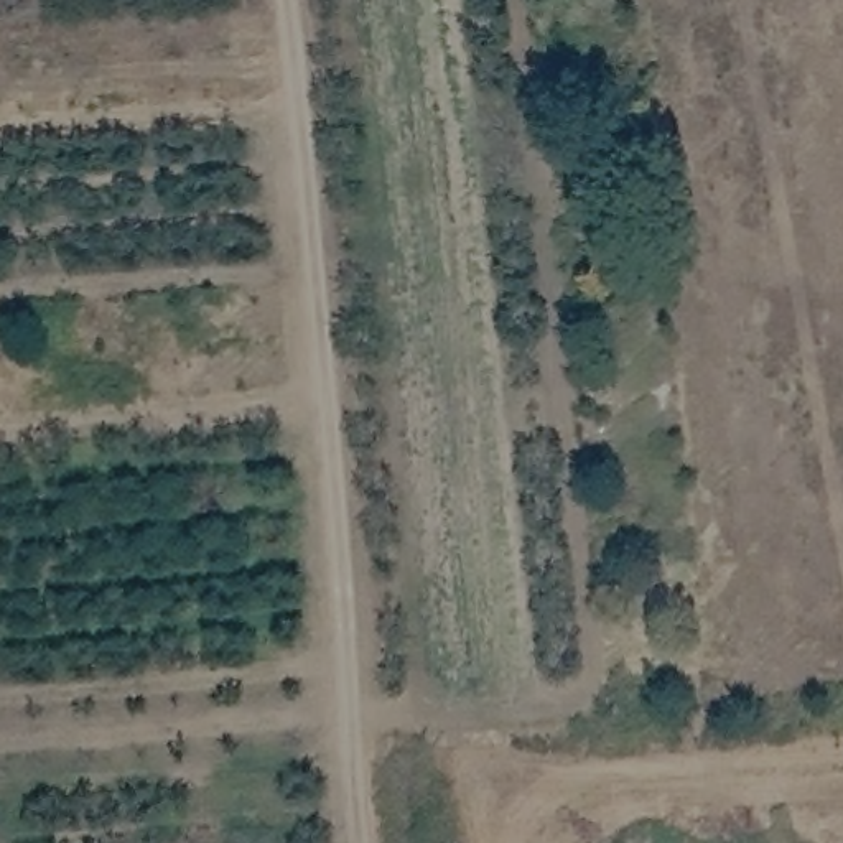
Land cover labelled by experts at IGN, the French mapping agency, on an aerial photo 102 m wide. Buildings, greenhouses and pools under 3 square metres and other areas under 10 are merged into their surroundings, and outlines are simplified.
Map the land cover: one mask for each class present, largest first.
<instances>
[{"label":"agricultural land","instance_id":"1","mask_svg":"<svg viewBox=\"0 0 843 843\"><path fill-rule=\"evenodd\" d=\"M310 13L316 16V33L333 30L336 36H342L336 56L352 76H359L369 135L362 161V194L349 198V211L329 207L323 214V244L326 263L336 270L339 260H359L366 270H372L379 277V300L392 303L402 333V342H392L385 362L339 359L342 412H359V395L352 382L359 372H369L379 379L382 412L389 415L385 441L375 451L392 464V501L398 504L402 540L389 547L392 573L379 576L372 570L356 520L352 586L362 692L359 721L362 748L372 764L385 757L392 748L405 744L412 731H422L435 748V767L451 777V800L458 807L461 836L468 843H609L626 823L642 817H655L682 833L695 817H728L738 807H751L764 833L771 827V803H787L790 827L803 843H843V734H803L790 744H754L721 748L695 754L662 751L619 761H576L570 754L517 751L510 744L514 738L563 734L570 715L593 711V698L606 685L609 665L606 659H599V639L616 622L599 619L589 609L586 586L589 563V510L576 497L560 504L573 557L570 570L573 612L580 626V668L563 682H550L540 675L533 662V619L527 606V573L520 553L524 524L514 477V435L547 425L560 431L563 448L573 451L599 441V422L573 412V389L563 372L566 356L560 349V336H540V382L527 389H510L507 346L494 329L497 283L491 277V247L484 227V194L491 188H514L533 198L530 234L537 254V290L557 303L563 296V273L557 270L560 254L553 247L550 227L553 217L563 211V201L560 178L553 175L543 151L533 148L517 99L501 95L497 89H474L468 72L471 56L458 20L461 0H306ZM379 606H402L405 612V685L398 695L382 692L375 678L382 659V636L375 632ZM507 43L524 76L530 72L527 20V0H507ZM636 30L629 33L626 46L609 59L612 63H659L652 92L659 105L675 115L678 132L698 234V257L682 273L678 296L672 310V323L678 333L675 372L662 379L668 385L665 412L678 415L682 458L695 468V484L685 494V514L678 517V527H692L698 547L711 553L715 563L738 566L728 589L715 603H708V622L718 632H724V642H715L721 655V668L715 672L724 675L731 685H748L757 695H764L800 688L810 678H843V0H636Z\"/></svg>","mask_w":843,"mask_h":843},{"label":"deciduous trees","instance_id":"2","mask_svg":"<svg viewBox=\"0 0 843 843\"><path fill-rule=\"evenodd\" d=\"M237 7V0H40L43 23L66 26L128 13L138 20H188L227 13ZM458 20L471 56L468 72L474 89H497L501 95L517 99L533 148L543 151L553 175L560 178L563 201L576 207V221L583 234L593 240L586 257L589 273L603 280L606 293L616 296V306H626L632 300H662L668 293L678 296L682 273L698 257V234L678 132H659L652 138H636L629 145L619 142L612 132L622 125L626 115L636 112L616 92L612 82L603 79H586L580 72L563 69L557 82L520 86L517 79L524 76L507 43V0H461ZM527 20H537V30L543 33H550L553 23L576 26L589 20V0H527ZM342 36H336L333 30L316 33V40L306 43L310 105L316 161L323 168V198L329 207L349 211V198L362 194V161L369 135L359 76H352L336 56ZM20 142L7 148V158H0V280L10 277L13 260L36 263L46 257H59L63 270L69 273L260 260L270 254L273 237L263 221L247 214V201L260 194V178L247 168L244 128L211 122L204 132H198L188 119L181 122V128L171 132H161L155 122L151 128H132L122 122L20 125ZM46 207H63L66 214H72V227H59V231H53V234H36V221H43V211H46ZM484 227L491 247V277L497 283L494 329L507 346L510 389H527L540 382V336H560V349L566 356L563 372L573 389H609L616 382L619 362L606 313L583 323H563L557 303L537 290V254L530 234L533 198L514 188H491L484 194ZM339 310L333 313L329 333L339 359L385 362L392 342H402V333L392 303L379 300V277L372 270H366L359 260H339L336 270ZM49 346L43 316H36L26 306L16 316H0V349L7 359L33 369ZM359 395V412H342V435L346 448L352 451L356 487V494L349 497V510L356 514V520L372 570L379 576L392 573L389 547L402 540L398 504L392 501V464L375 451L385 441L389 415L382 412L379 379L369 372H359L352 382ZM280 425L273 408H263V418H237L217 422L211 431L178 428L165 435L145 431L138 418L128 425H95L92 431H72L59 418H46L43 425L23 428L13 441H0V685L76 682L95 675L125 678L145 668L168 672L191 665H250L257 659V645H293L303 626L306 596V573L300 560H260L247 566L244 557L250 550V520L286 524L293 520V514L273 507L224 510L231 494L240 487L270 494L296 477L293 461H286L280 471L273 468L257 474H247L244 464L247 458L280 454ZM175 461L207 464V474H201L194 487L181 477H158L151 487L135 484L132 477L109 484L86 481L76 487L46 484V477H63L86 464L95 471H109L115 464L148 468ZM514 477L524 524L520 553L527 573V606L533 619V662L540 675L550 682H563L580 668V626L573 612L570 570L573 557L560 504L576 497L589 510H609L619 504L626 487L622 464L609 448L606 461L573 471V451L563 448L560 431L547 425L514 435ZM665 583L659 563V533L632 524L609 533L603 553L589 563L586 586H606L616 599L629 603L632 596L645 599L652 586ZM645 636L662 652V662L678 655L682 649H692L698 639V619L692 603L642 616ZM375 632L382 636V659L375 678L382 692L398 695L405 685V612L402 606H379ZM639 698L659 728H688L695 715L692 682L675 665H659L645 672ZM767 721L764 695H757L748 685H731L728 695L708 705L705 721V728L715 734L721 748L754 744ZM283 800L323 797V771L313 767L306 757H293L277 767L273 780ZM188 784L181 780L128 777L119 784L76 780L69 790L53 784H33L20 797L26 843H56V827L112 823L119 817V803L125 800L135 817H145L165 800L184 797ZM283 843H336L329 833V820L319 817H296Z\"/></svg>","mask_w":843,"mask_h":843},{"label":"herbaceous vegetation","instance_id":"3","mask_svg":"<svg viewBox=\"0 0 843 843\"><path fill-rule=\"evenodd\" d=\"M283 86L280 40L270 0H237V7L227 13L188 20H138L128 13L66 26L43 23L40 0H0V158H7V148L20 142V125L122 122L132 128H151L155 122L161 132H171L181 128V122L188 119L198 132H204L211 122L244 128L247 168L260 178V184L280 165H290V138L280 115L283 99L277 95V89ZM636 0H589V20L576 26L553 23L550 33H543L537 30V20H527L530 72L524 76L517 79L520 86L557 82L563 69L580 72L586 79H603L616 76L612 63L609 59L626 46L629 33L636 30ZM247 214L263 221L273 237L270 254L260 260L69 273L63 270L59 257H46L36 263L13 260L10 277L0 280V300L49 296L59 290L79 293L82 300L72 329L82 356L102 362L115 359L145 375L135 389V398L125 405L72 408L56 392L53 372L33 369L7 359L0 349V441H13L23 428L43 425L46 418H59L72 431H92L95 425H128L138 418L145 431L165 435L178 428L211 431L217 422L237 418H263V408L250 389H273L290 382V362L283 352V283L300 273L303 257L296 211L280 207L260 188V194L247 201ZM204 280L217 283L227 303H207L201 310V319H207L211 326L237 323L240 333L250 336V352H191L178 342V333L171 329L168 316L142 319L125 310L128 290L191 286ZM59 227H72V214H66L63 207H46V211H43V221H36V234H53V231H59ZM678 296L668 293L662 300H632L626 306H609L606 313L619 362L616 382L609 389H573V412L599 422V441L573 451V471L606 461L609 448L622 464L626 487L619 504L609 510H589V563L603 553L609 533L632 524L659 533V563L665 583L652 586L645 599L632 596L629 603L616 599L606 586H586L589 609L599 619L616 622L599 639V659H606L609 665L626 662L632 675L645 672L659 665H675L692 682L698 672H715L721 668V655L715 642H724V632H718L708 622V603H715L728 589L738 566L715 563L711 553L698 547L692 527H678V517L685 514V494L695 484V468L682 458L678 415L665 412L668 385L662 379L675 372L678 333L672 323V310ZM692 603L698 619V639L692 649H682L678 655L662 662V652L645 636L642 616ZM280 454L247 458L244 464L247 474H257L273 468L280 471L286 461H293L296 477L270 494L240 487L231 494L224 510L273 507L293 514V520L286 524L250 520V550L244 557L247 566L260 560H300L306 573V596L303 626L293 645H257V659L250 665H191L168 672L145 668L125 678L95 675L76 682L0 685V843H26L20 797L33 784H53L69 790L76 780L119 784L128 777L181 780L188 784L184 797L165 800L145 817H135L125 800L119 803V817L112 823L56 827V843H283L296 817H319L323 797L283 800L273 780L277 767L293 757H306L313 767L323 771L336 757V655L329 593H316L310 586L326 573L323 527L303 517V501L319 487V451L313 438L300 441L290 428L280 425ZM201 474H207V464L175 461L148 468L115 464L109 471H95L86 464L63 477H46V484L76 487L86 481L109 484L132 477L135 484L151 487L158 477H181L194 487Z\"/></svg>","mask_w":843,"mask_h":843},{"label":"brushwood","instance_id":"4","mask_svg":"<svg viewBox=\"0 0 843 843\"><path fill-rule=\"evenodd\" d=\"M616 76L603 79L612 82L616 92L636 112L626 115L622 125L612 132L619 142L629 145L636 138H652L659 132H678L675 115L659 105L652 92L659 63H612ZM553 247L560 254L557 270L563 273V296L557 303L563 323H583L606 313L609 306H616V296L606 293L603 280L589 273L586 257L593 240L583 234L576 221V207L563 201V211L553 217L550 227ZM207 303H227L217 283L204 280L191 286L128 290L125 310L142 319L168 316L171 329L178 333V342L191 352H250V336L240 333L237 323L211 326L207 319H201V310ZM82 300L79 293L59 290L49 296L0 300V316H16L26 306L36 316H43L49 346L33 369L53 372L56 392L72 408L125 405L135 398V389L145 375L115 359L102 362L82 356L72 329ZM645 672L632 675L626 662L609 665L606 685L593 698V711L570 715L563 734L514 738L510 744L517 751L570 754L576 761H619L662 751L695 754L721 748L715 734L705 728V721L708 705L728 695L731 685L724 675L715 672H698L692 682L695 715L688 728H659L639 698ZM767 721L754 744H790L803 734H843V678H810L800 688L764 695ZM372 800L379 817L375 843H468L461 836L458 807L451 800V777L435 767V748L422 731H412L405 744L392 748L385 757L372 764ZM609 843H803L790 827L787 803H771V827L764 833L751 807H738L728 817H695L682 833L655 817H642L626 823Z\"/></svg>","mask_w":843,"mask_h":843},{"label":"pervious surface","instance_id":"5","mask_svg":"<svg viewBox=\"0 0 843 843\"><path fill-rule=\"evenodd\" d=\"M280 40L283 86L277 89V95L283 99L280 115L290 138V165H280L260 184V188L280 207L296 211L303 257L300 273L283 283V352L290 362V382L273 389H250L263 408H273L280 425L290 428L300 441L313 438L319 451V487L303 501V517L323 527L326 573L310 586L316 593H329L336 655V757L323 771V797L319 817L329 820V833L336 843H375L379 817L372 800V764L362 748L359 721L362 692L352 586L356 520V514L349 510V497L356 494V487L352 451L346 448L342 435V412L339 359L329 333L333 313L339 310L336 270L326 263L323 244V214L329 207L323 198V168L316 161L310 105L306 43L316 40V16L310 13L306 0H270Z\"/></svg>","mask_w":843,"mask_h":843}]
</instances>
